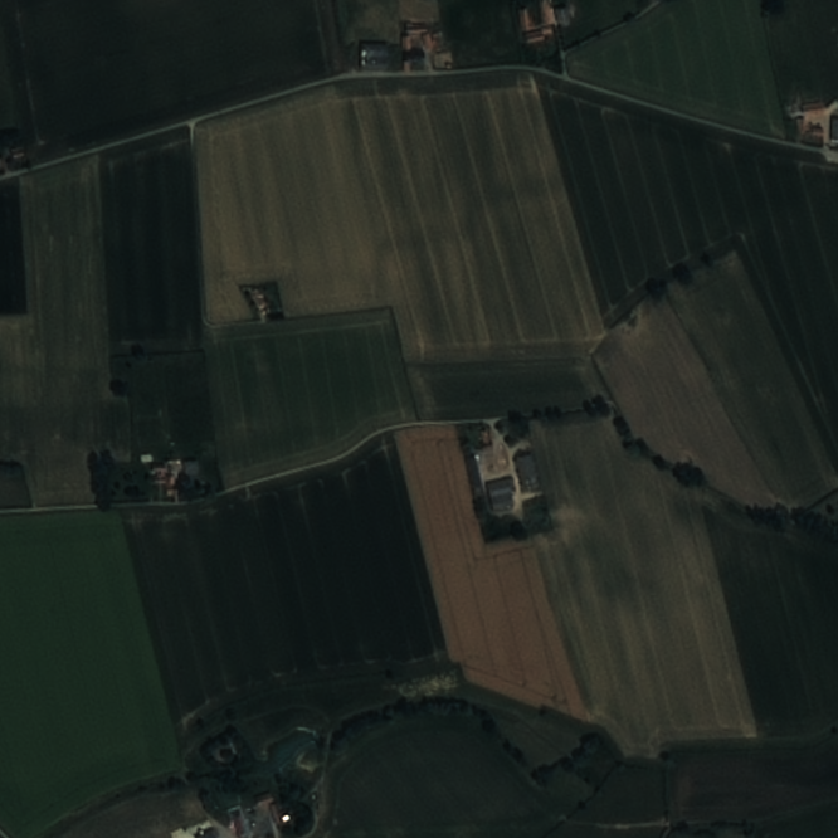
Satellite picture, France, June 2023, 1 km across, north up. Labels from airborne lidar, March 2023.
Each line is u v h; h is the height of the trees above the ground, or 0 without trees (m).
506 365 0
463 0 0
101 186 0
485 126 0
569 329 0
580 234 0
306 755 0
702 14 0
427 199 0
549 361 0
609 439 0
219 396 0
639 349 0
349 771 0
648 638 0
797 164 0
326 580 0
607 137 0
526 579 0
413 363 0
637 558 0
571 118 0
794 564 0
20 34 0
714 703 0
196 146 0
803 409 0
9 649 0
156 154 0
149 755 0
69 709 0
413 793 0
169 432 0
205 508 0
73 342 0
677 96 0
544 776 13
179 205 0
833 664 0
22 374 0
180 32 0
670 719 0
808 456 0
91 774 0
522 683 0
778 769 0
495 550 0
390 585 0
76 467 0
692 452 0
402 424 0
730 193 0
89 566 0
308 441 0
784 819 0
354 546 0
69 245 0
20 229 0
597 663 0
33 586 0
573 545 0
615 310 0
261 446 0
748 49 0
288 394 0
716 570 0
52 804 0
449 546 0
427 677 0
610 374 0
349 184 0
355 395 0
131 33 0
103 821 0
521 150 0
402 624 0
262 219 0
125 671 0
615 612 0
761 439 0
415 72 0
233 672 0
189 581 0
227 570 0
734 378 0
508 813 0
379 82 0
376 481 0
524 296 0
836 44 0
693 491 0
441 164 0
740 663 0
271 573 0
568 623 0
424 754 0
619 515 0
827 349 0
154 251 0
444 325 0
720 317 0
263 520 0
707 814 0
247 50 0
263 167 0
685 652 0
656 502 0
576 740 0
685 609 0
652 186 0
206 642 0
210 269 0
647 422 0
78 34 0
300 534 0
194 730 0
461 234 0
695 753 0
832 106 0
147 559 0
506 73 0
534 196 0
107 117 0
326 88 0
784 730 0
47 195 0
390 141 0
